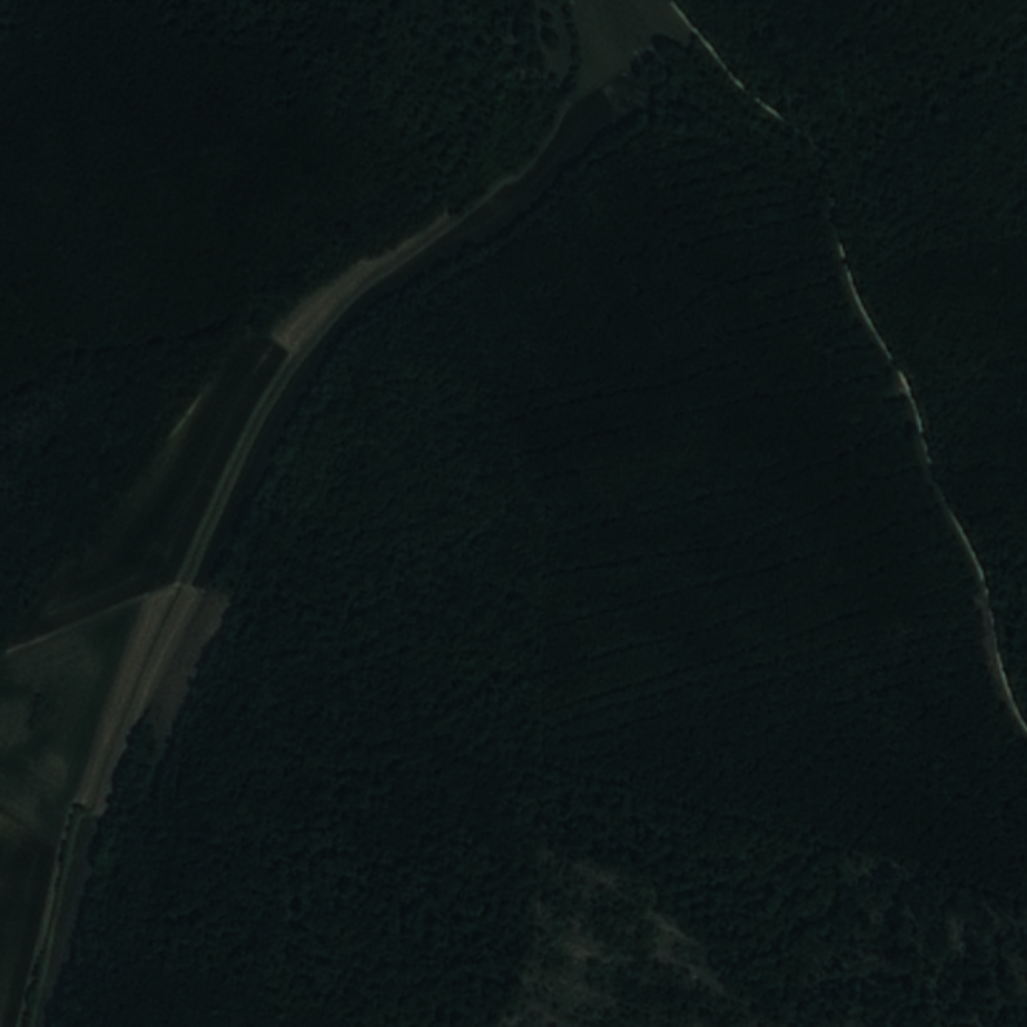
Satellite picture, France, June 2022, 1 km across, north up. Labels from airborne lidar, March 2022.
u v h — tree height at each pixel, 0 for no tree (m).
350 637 15
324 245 15
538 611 15
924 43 7
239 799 22
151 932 19
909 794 0
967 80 19
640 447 15
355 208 13
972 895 21
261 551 15
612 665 10
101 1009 19
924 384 6
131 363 18
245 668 13
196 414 0
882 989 24
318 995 18
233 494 0
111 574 0
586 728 11
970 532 18
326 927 20
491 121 12
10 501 21
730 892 20
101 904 17
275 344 0
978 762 13
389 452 14
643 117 13
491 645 20
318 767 16
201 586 0
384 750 25
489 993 22
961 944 0
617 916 11
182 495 0
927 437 6
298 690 18
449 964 22
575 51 9
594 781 21
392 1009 19
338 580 16
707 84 16
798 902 22
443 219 0
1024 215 16
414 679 16
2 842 0
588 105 0
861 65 13
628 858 23
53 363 11
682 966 0
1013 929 0
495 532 17
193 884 19
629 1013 7
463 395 15
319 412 17
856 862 24
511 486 16
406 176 11
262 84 10
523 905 14
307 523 17
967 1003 16
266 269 0
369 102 10
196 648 0
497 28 19
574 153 0
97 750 0
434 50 13
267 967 22
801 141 14
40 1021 0
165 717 0
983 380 7
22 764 0
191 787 19
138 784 12
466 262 14
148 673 0
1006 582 25
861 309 0
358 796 20
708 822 21
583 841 24
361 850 17
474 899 18
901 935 28
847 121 15
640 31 0
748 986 21
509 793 23
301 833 20
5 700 0
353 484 20
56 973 0
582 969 0
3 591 21
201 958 17
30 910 0
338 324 0
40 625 0
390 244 16
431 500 15
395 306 17
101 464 20
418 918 24
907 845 0
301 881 21
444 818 18
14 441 22
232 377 0
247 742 19
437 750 18
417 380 15
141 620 0
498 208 0
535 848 22
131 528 0
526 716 12
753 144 6
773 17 17
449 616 17
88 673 0
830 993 21
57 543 19
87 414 19
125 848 17
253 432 0
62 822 0
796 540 14
